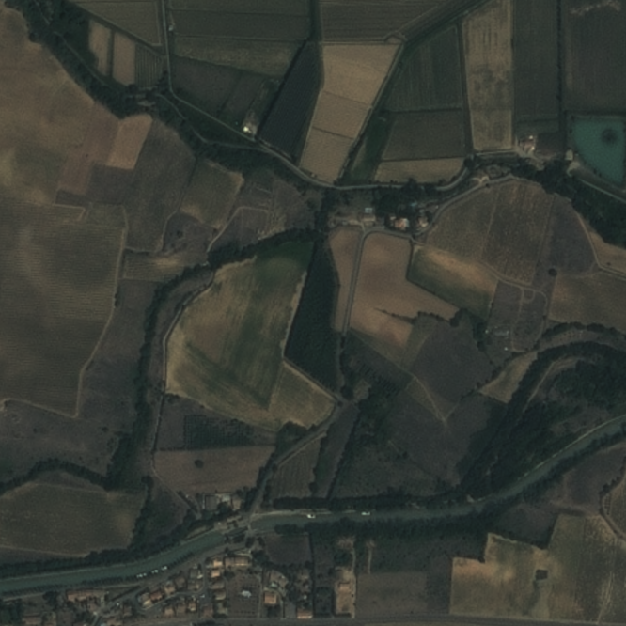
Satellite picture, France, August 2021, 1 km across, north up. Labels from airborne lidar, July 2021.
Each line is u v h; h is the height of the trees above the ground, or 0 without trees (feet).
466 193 0
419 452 0
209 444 30
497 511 70
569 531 0
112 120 0
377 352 0
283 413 0
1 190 0
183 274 26
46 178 0
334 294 47
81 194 0
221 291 0
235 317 0
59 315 0
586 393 34
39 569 31
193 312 0
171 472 0
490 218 0
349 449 35
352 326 0
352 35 0
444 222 0
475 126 0
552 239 0
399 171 0
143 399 39
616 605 0
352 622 0
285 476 0
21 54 0
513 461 42
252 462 0
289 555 0
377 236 0
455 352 0
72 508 0
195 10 0
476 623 0
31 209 0
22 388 0
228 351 0
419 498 33
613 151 0
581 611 0
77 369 0
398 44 0
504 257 0
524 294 0
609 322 0
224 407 0
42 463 36
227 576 38
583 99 0
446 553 21
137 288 0
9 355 0
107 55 0
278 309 0
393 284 0
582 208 53
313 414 0
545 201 0
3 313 0
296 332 51
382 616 0
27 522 0
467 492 46
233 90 0
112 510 0
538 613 0
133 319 0
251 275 0
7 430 0
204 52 0
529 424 54
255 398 0
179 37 0
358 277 0
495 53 0
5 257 0
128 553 50
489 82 0
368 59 0
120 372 0
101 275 0
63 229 0
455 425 0
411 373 0
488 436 21
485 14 0
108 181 0
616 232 82
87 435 0
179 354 0
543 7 0
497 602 0
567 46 0
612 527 0
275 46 0
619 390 35
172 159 0
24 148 0
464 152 0
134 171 0
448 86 0
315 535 36
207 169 0
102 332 0
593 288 0
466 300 0
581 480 0
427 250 0
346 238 0
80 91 0
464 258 0
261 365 0
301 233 35
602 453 0
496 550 0
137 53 0
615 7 0
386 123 0
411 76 0
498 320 0
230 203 0
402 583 0
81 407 0
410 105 0
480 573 0
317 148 0
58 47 28
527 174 48
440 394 0
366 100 0
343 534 38
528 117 0
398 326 0
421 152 0
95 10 0
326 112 0
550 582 0
